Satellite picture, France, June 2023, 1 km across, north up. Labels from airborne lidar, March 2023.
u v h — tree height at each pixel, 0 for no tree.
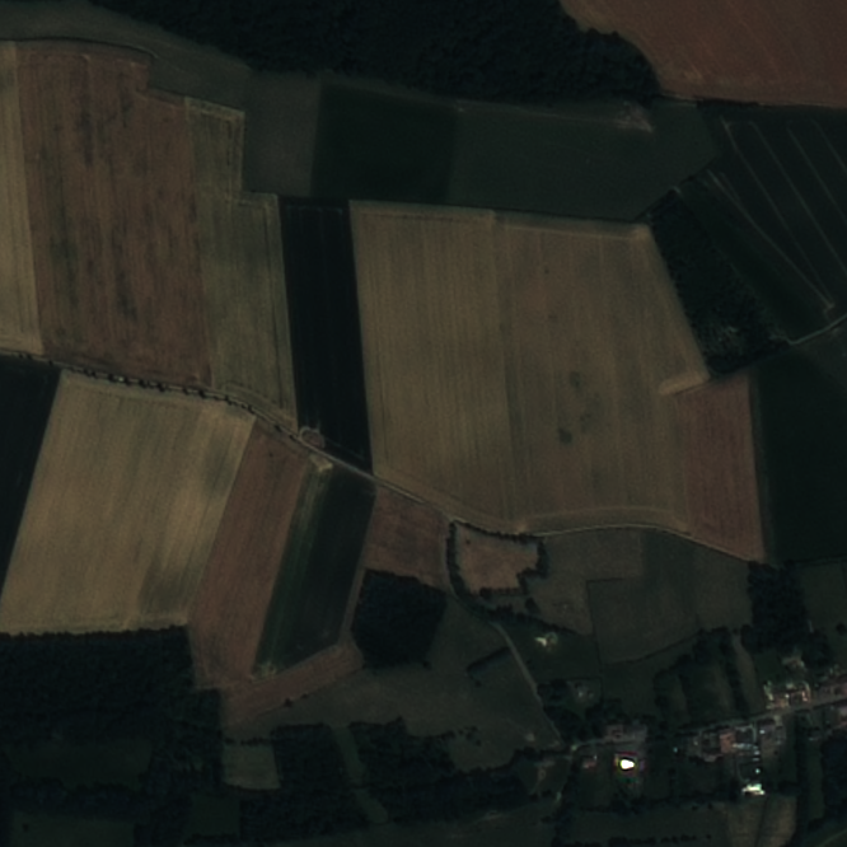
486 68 27
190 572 0
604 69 21
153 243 0
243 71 0
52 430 0
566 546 0
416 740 8
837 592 0
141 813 29
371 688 0
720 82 0
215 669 0
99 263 0
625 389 0
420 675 0
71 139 0
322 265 0
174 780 27
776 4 0
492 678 0
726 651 16
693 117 0
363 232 0
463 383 0
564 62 25
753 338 11
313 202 0
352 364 0
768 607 11
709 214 0
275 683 0
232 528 0
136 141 0
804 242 0
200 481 0
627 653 0
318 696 0
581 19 0
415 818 14
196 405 0
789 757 0
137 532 0
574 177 0
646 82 19
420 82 18
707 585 0
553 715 16
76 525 0
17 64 0
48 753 0
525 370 0
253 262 0
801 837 12
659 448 0
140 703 25
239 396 0
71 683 15
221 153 0
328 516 0
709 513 0
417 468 0
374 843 0
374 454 0
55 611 0
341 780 22
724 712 0
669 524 0
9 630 0
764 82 0
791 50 0
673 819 0
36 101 0
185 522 0
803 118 0
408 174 0
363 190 0
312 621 0
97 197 0
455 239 0
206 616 0
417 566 0
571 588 0
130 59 0
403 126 0
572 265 0
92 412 0
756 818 0
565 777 0
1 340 0
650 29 0
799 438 0
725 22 0
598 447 0
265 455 0
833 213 0
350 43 24
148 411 0
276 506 0
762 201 0
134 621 0
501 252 0
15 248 0
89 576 0
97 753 0
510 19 21
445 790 27
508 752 0
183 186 0
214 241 0
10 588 0
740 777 0
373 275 0
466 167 0
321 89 0
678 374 0
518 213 0
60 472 0
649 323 0
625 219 0
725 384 0
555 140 0
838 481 0
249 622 0
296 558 0
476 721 0
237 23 22
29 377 0
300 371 0
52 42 0
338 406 0
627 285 0
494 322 0
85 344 0
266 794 6
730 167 0
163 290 0
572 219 0
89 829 0
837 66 0
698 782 0
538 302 0
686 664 16
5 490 0
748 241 0
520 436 0
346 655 0
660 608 0
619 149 0
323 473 0
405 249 0
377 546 0
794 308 0
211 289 0
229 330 0
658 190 0
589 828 0
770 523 0
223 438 0
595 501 0
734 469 0
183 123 0
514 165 0
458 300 0
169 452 0
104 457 0
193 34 17
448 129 0
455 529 6
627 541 0
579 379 0
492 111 0
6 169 0
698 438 0
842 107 0
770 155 0
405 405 0
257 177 0
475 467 0
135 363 0
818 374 0
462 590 15
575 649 0
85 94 0
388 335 0
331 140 0
